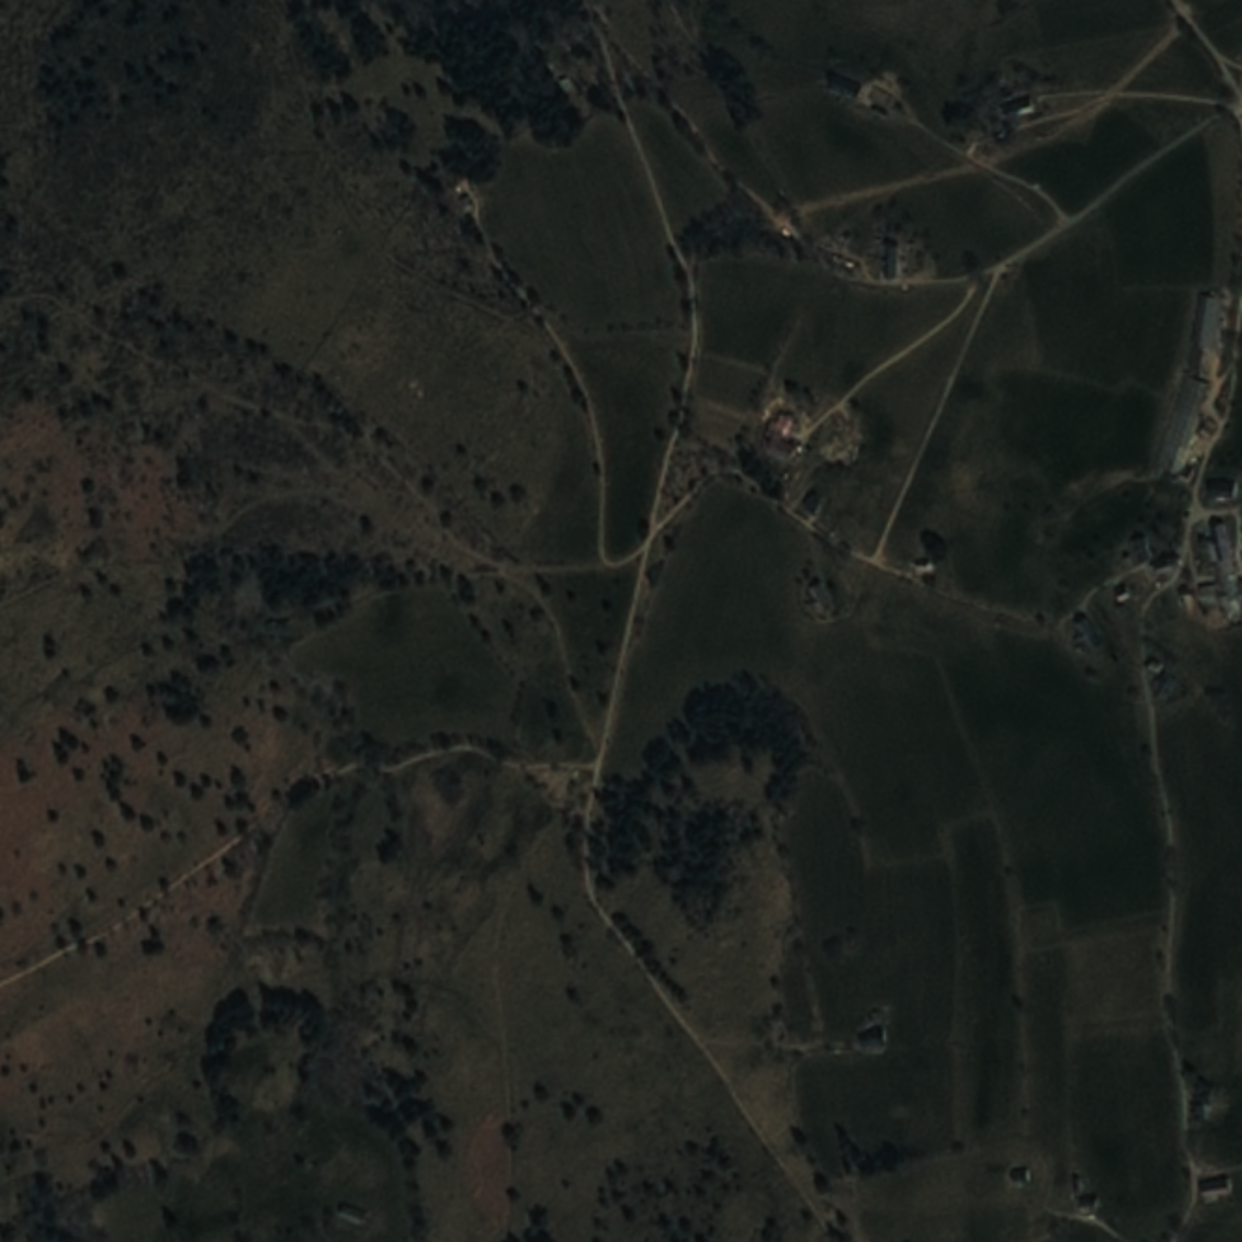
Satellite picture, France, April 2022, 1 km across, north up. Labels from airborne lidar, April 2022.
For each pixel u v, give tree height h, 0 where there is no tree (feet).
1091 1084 0
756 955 0
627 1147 0
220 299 0
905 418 0
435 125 0
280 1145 0
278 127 0
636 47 0
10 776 0
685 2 49
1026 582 0
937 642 0
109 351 0
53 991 0
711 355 0
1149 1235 0
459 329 0
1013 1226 0
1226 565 0
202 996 0
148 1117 0
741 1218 0
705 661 0
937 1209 0
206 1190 0
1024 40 0
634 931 38
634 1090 0
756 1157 0
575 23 66
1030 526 0
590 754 0
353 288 0
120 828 0
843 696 0
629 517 0
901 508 0
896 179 0
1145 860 0
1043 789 0
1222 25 0
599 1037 0
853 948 28
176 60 48
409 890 0
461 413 0
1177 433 0
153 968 0
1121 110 0
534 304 40
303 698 29
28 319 47
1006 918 0
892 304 0
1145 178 0
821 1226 0
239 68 0
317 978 0
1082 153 0
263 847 44
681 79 30
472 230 39
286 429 0
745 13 0
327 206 0
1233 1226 0
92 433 0
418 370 0
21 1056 0
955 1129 0
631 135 0
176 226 0
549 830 0
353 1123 0
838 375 0
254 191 0
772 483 43
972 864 0
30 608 0
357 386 0
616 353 0
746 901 0
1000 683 0
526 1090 0
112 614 0
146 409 0
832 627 0
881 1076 0
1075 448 0
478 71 69
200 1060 0
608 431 0
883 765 0
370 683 0
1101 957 0
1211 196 0
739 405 0
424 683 0
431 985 0
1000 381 0
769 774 0
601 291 0
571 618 0
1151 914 0
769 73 0
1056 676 0
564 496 0
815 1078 0
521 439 0
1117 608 22
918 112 0
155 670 0
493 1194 0
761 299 0
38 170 0
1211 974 0
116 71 0
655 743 0
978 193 0
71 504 0
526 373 0
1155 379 0
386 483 0
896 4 0
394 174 0
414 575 31
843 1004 0
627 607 0
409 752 27
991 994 0
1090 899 0
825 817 0
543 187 0
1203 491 0
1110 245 0
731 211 34
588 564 0
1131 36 0
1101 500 0
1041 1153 0
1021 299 0
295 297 0
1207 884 0
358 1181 0
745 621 0
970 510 0
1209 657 0
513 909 0
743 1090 0
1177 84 0
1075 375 0
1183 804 0
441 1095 0
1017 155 0
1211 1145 0
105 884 0
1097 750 0
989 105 26
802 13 0
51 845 0
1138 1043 0
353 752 37
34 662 0
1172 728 0
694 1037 0
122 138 0
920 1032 0
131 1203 0
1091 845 0
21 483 0
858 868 0
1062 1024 0
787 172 0
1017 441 0
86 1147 0
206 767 0
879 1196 0
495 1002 0
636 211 0
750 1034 0
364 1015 22
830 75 0
